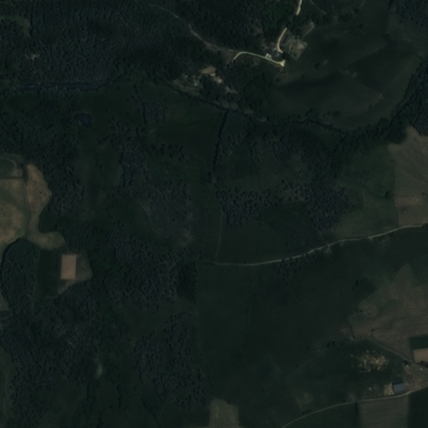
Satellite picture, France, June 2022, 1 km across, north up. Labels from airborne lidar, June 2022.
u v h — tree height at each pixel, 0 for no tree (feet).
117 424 0
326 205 44
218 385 0
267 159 0
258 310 0
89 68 52
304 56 0
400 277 0
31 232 0
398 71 0
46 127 47
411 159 0
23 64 51
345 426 0
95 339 40
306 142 50
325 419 0
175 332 42
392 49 0
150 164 0
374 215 0
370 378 0
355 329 0
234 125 90
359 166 0
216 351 0
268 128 47
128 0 57
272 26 37
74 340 34
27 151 42
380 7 0
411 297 0
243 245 0
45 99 24
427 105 50
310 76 0
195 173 0
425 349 0
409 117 58
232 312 0
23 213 0
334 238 0
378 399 0
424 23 65
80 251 26
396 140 56
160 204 0
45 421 0
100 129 0
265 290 0
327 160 46
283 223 0
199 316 0
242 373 0
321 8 0
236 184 0
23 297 66
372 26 0
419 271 0
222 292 0
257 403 0
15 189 0
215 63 24
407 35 0
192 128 0
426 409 0
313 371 0
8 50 59
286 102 0
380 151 0
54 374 24
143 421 0
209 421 0
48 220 0
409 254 0
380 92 0
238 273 0
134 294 51
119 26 41
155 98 0
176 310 0
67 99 31
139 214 0
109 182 0
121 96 0
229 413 0
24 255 96
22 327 49
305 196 37
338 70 0
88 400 37
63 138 32
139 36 26
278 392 0
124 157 61
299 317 0
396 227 0
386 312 0
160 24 45
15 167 0
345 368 0
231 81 42
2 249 0
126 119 0
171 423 0
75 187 66
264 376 0
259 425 0
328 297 0
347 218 0
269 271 0
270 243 0
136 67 39
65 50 87
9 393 0
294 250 0
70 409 0
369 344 0
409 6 63
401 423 0
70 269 0
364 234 0
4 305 0
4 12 61
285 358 0
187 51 42
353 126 0
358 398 0
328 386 0
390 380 0
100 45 78
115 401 0
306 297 0
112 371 27
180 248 0
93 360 27
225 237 0
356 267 0
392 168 0
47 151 63
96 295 30
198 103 20
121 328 34
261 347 0
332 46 0
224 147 78
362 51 0
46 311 22
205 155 0
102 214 0
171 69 54
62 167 54
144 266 43
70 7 60
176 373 19
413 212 0
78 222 22
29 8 66
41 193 0
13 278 84
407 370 0
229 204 42
